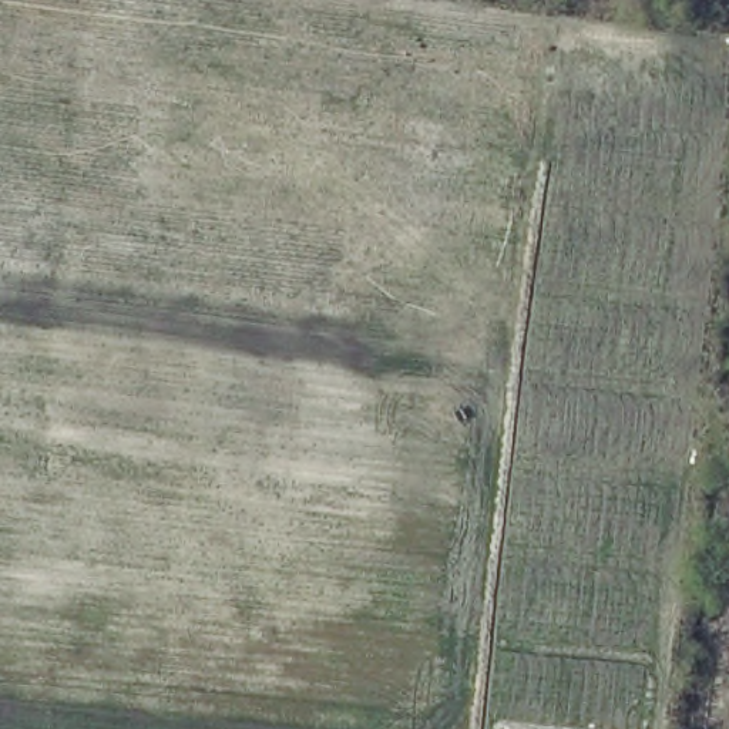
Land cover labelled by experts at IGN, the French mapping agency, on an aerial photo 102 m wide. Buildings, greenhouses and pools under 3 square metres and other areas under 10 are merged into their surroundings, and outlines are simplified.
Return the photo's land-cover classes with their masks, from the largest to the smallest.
<instances>
[{"label":"agricultural land","instance_id":"1","mask_svg":"<svg viewBox=\"0 0 729 729\"><path fill-rule=\"evenodd\" d=\"M510 0H0V729H470V698L481 615L478 595L484 589L487 575L504 430L501 421L513 339L510 322L518 310L524 313V327L510 458L504 473L501 538L493 578V615L487 635L478 729H638L641 703L649 709L666 703L672 712L678 709L681 695L689 686L692 669L672 658V672H664L658 666V641L664 578L672 572V561L683 530V464H698V450H692L698 427L692 402V390L701 382V353L706 339L712 293L709 271L712 256L718 251L715 222L718 214L726 211L718 202L720 148L729 140V34L701 28L698 37H664L658 31H649L629 34L624 28L589 23L581 17L510 11L504 6ZM541 162H547V174L535 225L533 262L527 271L521 268V242L527 236L530 194L535 188V171Z\"/></svg>","mask_w":729,"mask_h":729},{"label":"herbaceous vegetation","instance_id":"2","mask_svg":"<svg viewBox=\"0 0 729 729\"><path fill-rule=\"evenodd\" d=\"M649 31H658L664 37H698L701 28L729 34V0H638ZM718 202L726 211L718 214L715 222L718 251L712 256L709 271L712 293L706 339L701 353V382L692 390V402L698 396L718 399V384H729V140L720 148ZM706 518H723L729 524V487L718 484L712 493H703L701 487H683V530L701 527ZM683 618V601L672 592V572L664 578L658 641V666L664 672H672V658L675 635ZM718 612H703V624L695 621V641L701 644V649L692 669L689 686L681 695L678 709L672 712L666 703L649 709L641 703L638 729H729V575L720 581L718 589Z\"/></svg>","mask_w":729,"mask_h":729},{"label":"deciduous trees","instance_id":"3","mask_svg":"<svg viewBox=\"0 0 729 729\"><path fill-rule=\"evenodd\" d=\"M510 11L581 17L589 23L624 28L629 34L649 31L638 0H510L504 6ZM698 427L692 450H698V464H683V487H701L703 493H712L718 484L729 487V384H718V399L698 396L692 402ZM729 575V524L723 518H706L701 527L683 530L672 561V592L683 601V618L675 635L672 658L692 669L701 649V644L695 641V621L703 624V612H718V589L720 581Z\"/></svg>","mask_w":729,"mask_h":729},{"label":"pervious surface","instance_id":"4","mask_svg":"<svg viewBox=\"0 0 729 729\"><path fill-rule=\"evenodd\" d=\"M547 174V162H541L535 171V188L530 194L527 236L521 242V268L527 271L533 262L535 225ZM524 327V313L518 310L510 322L513 339L501 421L504 430L487 575L484 589L478 595L481 615L470 698V729H478L487 635L493 615V578L501 538L504 473L510 458Z\"/></svg>","mask_w":729,"mask_h":729}]
</instances>
